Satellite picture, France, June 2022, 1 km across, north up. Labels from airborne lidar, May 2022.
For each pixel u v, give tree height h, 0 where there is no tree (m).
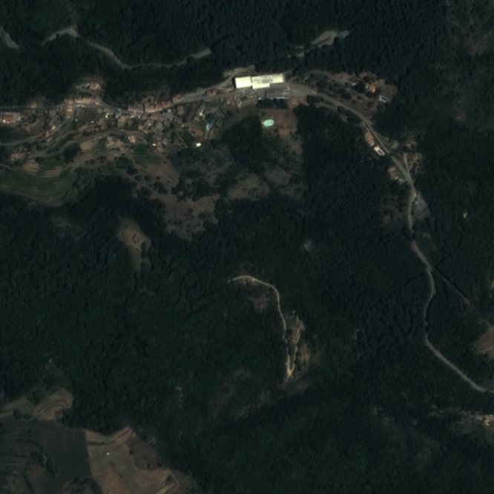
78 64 7
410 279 22
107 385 23
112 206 21
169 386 11
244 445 14
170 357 15
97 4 10
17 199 9
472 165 18
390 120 9
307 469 19
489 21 12
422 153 7
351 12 20
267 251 17
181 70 12
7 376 6
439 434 13
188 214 7
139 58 16
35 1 19
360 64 10
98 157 7
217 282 17
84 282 18
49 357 13
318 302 22
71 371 15
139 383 15
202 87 12
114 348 25
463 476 17
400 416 20
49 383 7
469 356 13
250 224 19
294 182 8
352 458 19
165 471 0
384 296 17
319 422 14
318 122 12
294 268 8
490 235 13
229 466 16
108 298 17
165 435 8
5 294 12
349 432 21
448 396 11
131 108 0
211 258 11
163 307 18
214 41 34
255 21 34
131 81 10
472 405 13
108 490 0
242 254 10
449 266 28
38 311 19
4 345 19
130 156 0
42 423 0
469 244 17
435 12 16
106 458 0
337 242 10
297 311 14
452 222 9
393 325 8
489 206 14
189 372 10
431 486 19
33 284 14
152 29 26
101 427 12
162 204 17
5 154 12
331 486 18
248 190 0
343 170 10
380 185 21
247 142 13
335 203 19
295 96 0
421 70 19
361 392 19
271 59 40
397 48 17
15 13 17
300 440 17
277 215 20
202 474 17
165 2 34
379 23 15
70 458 0
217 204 19
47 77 14
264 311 8
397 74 28
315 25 17
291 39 18
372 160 10
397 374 13
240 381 6
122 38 13
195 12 44
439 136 7
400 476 15
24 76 11
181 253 23
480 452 16
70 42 9
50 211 8
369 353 11
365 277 14
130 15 18
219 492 12
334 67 11
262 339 9
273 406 9
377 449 16
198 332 14
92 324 17
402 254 22
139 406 12
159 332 22
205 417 11
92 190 17
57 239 24
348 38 18
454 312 13
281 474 27
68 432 0
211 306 16
